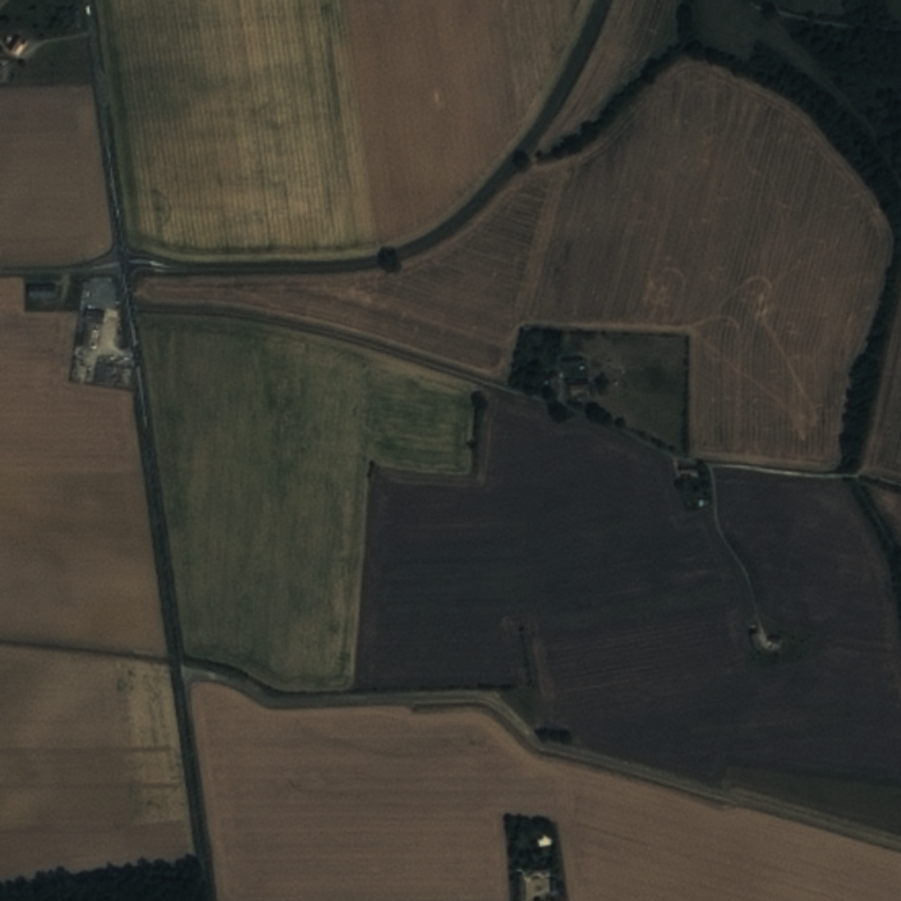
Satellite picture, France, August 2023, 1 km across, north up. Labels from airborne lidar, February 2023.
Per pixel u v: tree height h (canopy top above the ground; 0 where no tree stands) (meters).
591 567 0
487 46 0
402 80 0
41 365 0
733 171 0
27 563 0
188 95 0
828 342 0
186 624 0
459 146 0
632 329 0
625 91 6
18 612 0
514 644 0
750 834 0
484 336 0
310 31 0
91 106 0
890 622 0
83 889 22
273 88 0
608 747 0
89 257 0
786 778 0
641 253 0
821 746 0
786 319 0
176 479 0
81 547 0
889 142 15
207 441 0
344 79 0
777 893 0
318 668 0
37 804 0
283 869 0
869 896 0
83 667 0
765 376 0
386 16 0
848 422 12
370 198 0
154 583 0
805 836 0
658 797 0
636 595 0
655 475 0
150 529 0
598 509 0
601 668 0
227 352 0
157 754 0
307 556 0
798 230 0
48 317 0
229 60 0
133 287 0
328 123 0
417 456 0
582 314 0
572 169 0
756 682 0
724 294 0
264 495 0
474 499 0
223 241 0
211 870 0
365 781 0
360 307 0
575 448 0
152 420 0
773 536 0
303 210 0
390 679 0
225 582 0
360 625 0
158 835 0
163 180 0
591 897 0
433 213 0
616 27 0
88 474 0
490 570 0
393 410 0
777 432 0
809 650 0
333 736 0
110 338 0
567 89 0
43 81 0
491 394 0
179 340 0
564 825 0
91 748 0
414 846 0
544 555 0
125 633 0
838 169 0
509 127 0
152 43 0
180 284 0
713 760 0
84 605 0
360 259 0
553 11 0
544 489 0
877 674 0
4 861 0
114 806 0
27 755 0
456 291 0
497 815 0
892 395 0
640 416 0
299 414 0
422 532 0
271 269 0
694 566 0
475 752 0
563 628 0
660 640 0
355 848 0
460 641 0
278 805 0
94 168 0
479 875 0
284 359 0
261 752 0
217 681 0
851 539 0
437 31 0
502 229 0
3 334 0
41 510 0
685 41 8
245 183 0
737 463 0
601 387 15
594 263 0
